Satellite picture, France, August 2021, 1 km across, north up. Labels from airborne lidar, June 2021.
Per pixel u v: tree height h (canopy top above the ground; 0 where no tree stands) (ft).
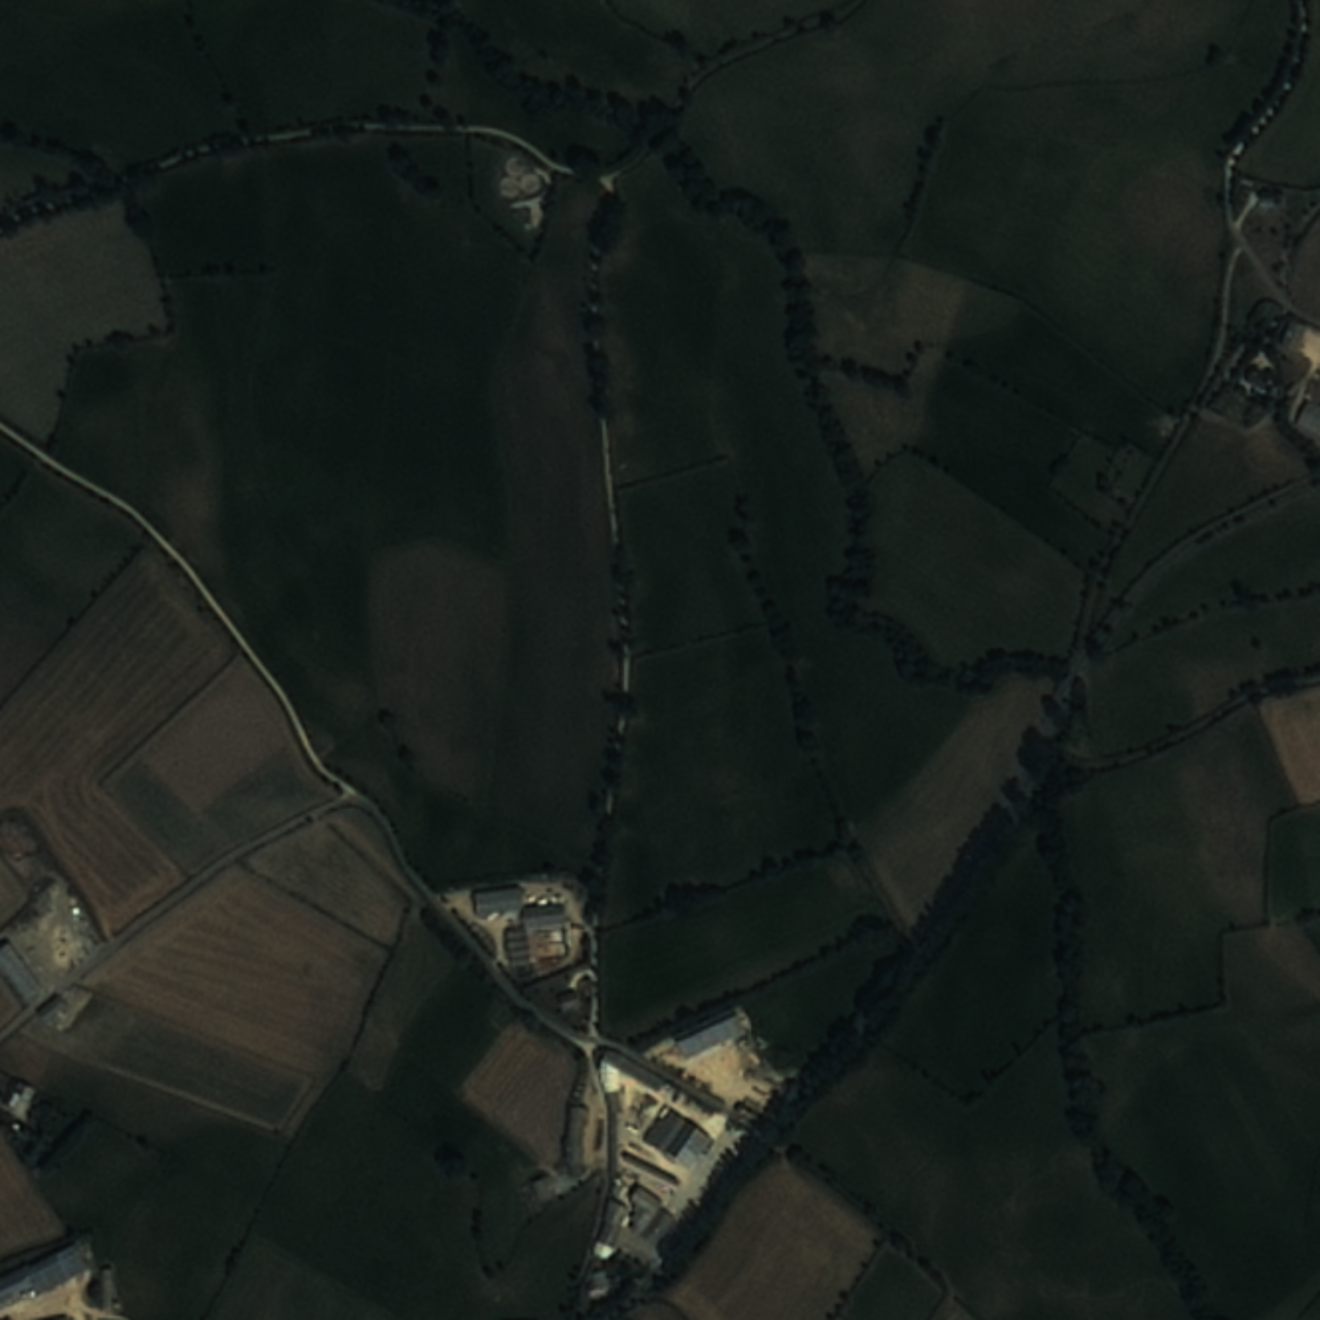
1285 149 0
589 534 0
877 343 0
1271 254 0
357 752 0
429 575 0
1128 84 0
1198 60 0
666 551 0
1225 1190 0
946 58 0
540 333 0
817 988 0
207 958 0
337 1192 0
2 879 0
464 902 0
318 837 0
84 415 0
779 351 0
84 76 0
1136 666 0
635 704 49
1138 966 0
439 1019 0
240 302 0
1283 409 30
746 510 39
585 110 42
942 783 0
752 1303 0
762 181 0
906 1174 0
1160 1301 0
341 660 0
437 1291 0
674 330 0
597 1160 0
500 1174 0
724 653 0
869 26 0
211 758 0
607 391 49
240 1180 0
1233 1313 0
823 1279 0
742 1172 80
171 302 29
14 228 51
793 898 0
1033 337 0
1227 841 0
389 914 0
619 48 0
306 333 0
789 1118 83
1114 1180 62
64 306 0
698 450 0
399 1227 0
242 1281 0
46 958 0
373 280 0
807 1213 0
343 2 0
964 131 0
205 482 0
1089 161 0
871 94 0
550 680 0
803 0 0
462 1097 0
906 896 0
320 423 0
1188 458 0
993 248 0
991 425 0
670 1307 0
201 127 0
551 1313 0
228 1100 0
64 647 0
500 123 0
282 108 0
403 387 0
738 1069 0
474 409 0
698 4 0
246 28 0
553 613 0
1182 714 0
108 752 0
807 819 0
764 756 0
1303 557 0
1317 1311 0
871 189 0
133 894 0
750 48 0
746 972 0
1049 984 0
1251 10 0
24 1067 0
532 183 0
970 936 0
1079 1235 0
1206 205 0
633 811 0
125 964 0
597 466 0
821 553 0
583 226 0
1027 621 0
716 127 0
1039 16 0
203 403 0
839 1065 76
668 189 0
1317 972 0
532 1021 39
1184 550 0
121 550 0
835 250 0
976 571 0
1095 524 19
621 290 0
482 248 0
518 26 0
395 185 0
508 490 0
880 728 0
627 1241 0
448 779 0
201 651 0
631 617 32
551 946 0
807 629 0
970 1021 0
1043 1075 0
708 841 0
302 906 0
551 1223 0
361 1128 0
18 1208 0
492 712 0
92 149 0
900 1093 0
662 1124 0
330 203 0
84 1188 0
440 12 24
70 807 0
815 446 0
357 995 0
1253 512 0
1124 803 0
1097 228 0
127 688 0
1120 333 0
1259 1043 0
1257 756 0
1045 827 47
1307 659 0
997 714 0
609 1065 0
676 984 0
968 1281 0
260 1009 0
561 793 0
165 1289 0
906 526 0
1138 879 0
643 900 0
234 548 0
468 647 0
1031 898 0
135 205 47
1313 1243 0
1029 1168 0
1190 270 0
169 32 0
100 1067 0
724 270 0
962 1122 0
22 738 0
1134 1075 0
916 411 0
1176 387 0
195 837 0
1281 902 0
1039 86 0
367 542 0
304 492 0
